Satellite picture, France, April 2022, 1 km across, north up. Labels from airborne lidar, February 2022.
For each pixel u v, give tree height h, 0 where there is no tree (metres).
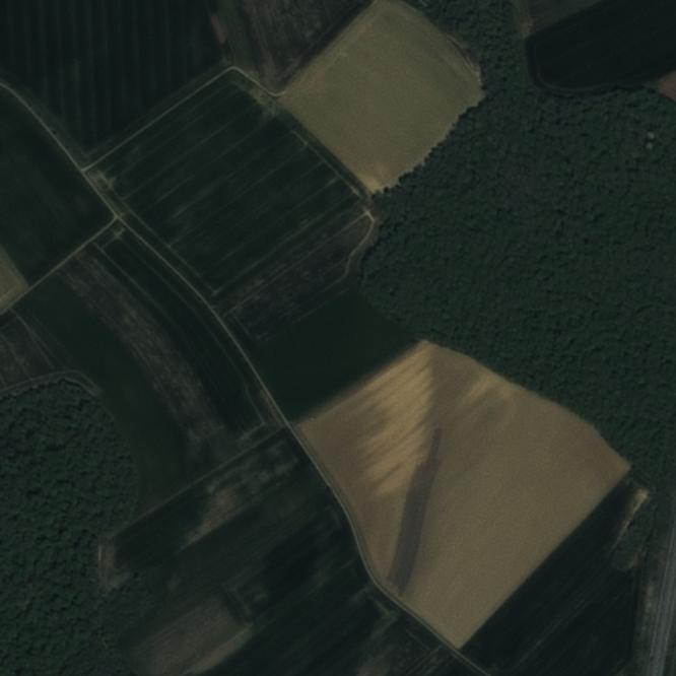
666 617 0
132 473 16
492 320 23
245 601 0
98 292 0
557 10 0
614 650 0
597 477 0
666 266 24
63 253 0
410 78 0
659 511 10
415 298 23
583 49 0
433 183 22
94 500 17
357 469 0
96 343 0
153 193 0
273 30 0
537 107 20
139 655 0
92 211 0
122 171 0
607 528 0
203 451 0
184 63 0
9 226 0
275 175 0
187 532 0
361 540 0
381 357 0
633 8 0
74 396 20
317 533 0
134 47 0
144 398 0
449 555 0
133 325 0
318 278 0
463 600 0
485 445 0
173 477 0
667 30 0
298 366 0
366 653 0
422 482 0
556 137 22
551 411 0
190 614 0
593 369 22
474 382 0
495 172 24
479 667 0
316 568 0
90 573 18
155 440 0
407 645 0
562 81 0
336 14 0
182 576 0
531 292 23
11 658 13
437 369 0
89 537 17
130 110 0
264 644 0
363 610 0
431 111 0
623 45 0
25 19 0
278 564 0
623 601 0
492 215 20
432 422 0
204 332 0
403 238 19
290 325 0
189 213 0
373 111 0
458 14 11
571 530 0
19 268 0
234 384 0
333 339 0
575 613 0
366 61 0
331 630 0
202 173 0
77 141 0
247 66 0
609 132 25
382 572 0
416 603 0
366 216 0
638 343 25
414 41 0
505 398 0
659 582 0
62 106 0
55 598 9
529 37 0
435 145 0
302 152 0
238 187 0
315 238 0
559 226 25
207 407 0
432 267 20
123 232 0
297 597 0
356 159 0
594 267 23
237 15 0
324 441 0
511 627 0
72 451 20
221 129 0
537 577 0
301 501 0
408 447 0
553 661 0
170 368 0
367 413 0
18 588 17
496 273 23
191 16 0
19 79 0
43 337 0
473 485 0
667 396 20
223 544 0
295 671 0
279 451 0
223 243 0
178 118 0
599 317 21
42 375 0
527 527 0
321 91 0
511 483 0
